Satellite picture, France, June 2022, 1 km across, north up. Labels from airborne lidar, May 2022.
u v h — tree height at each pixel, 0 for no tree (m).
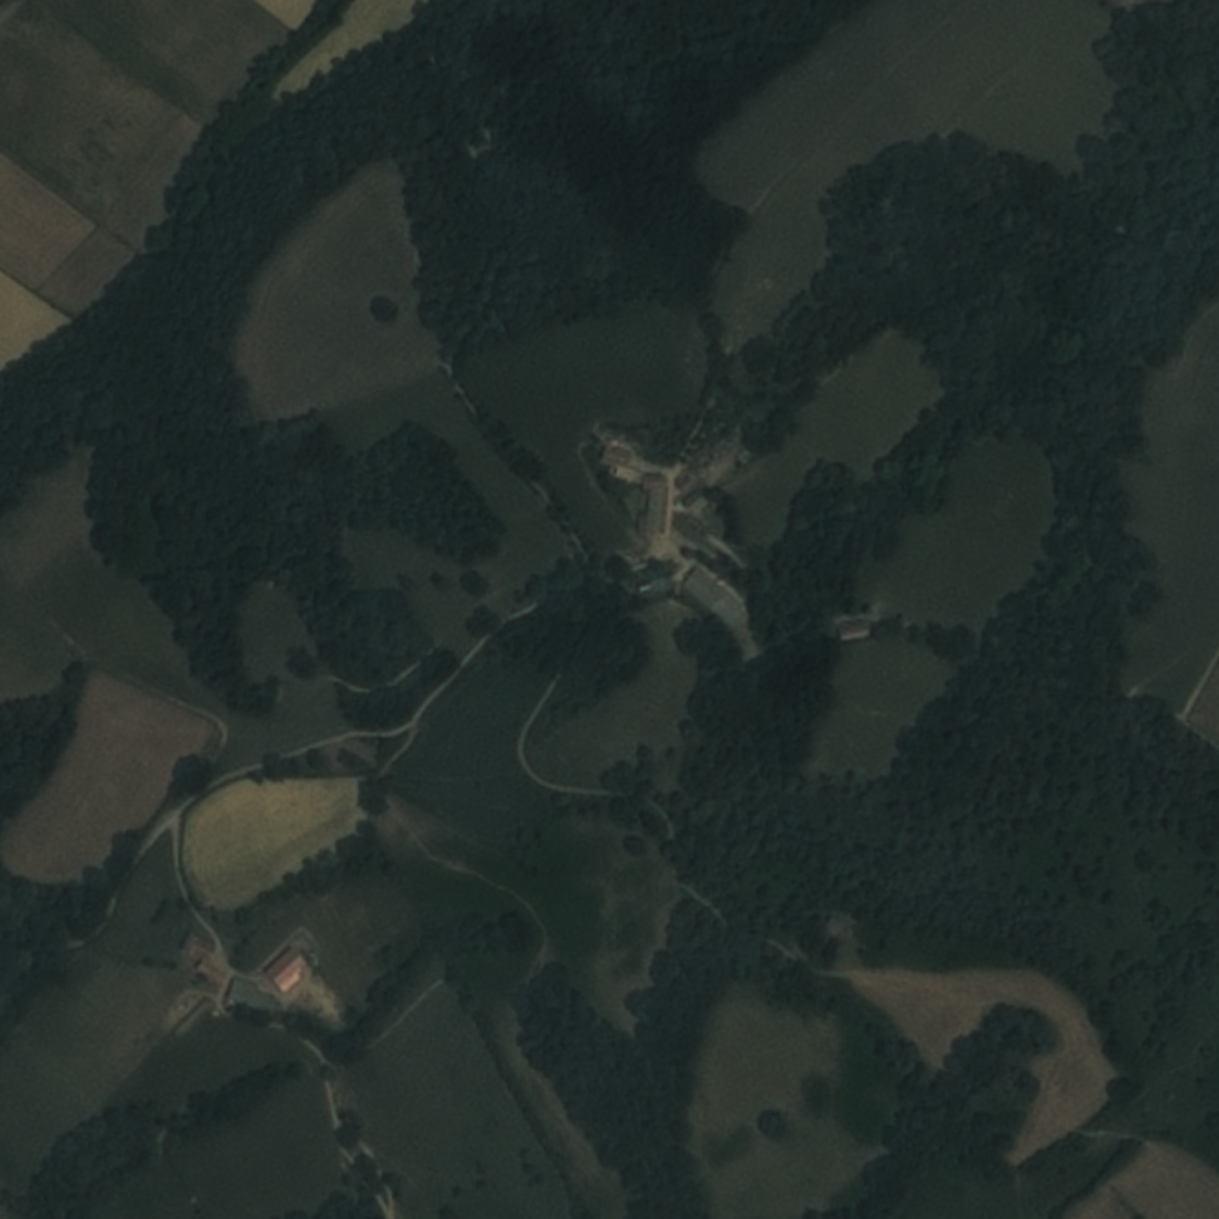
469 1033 0
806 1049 0
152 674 0
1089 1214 0
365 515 14
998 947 9
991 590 0
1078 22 0
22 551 0
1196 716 0
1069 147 0
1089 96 0
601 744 0
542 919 0
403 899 0
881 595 0
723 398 12
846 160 0
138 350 23
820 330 9
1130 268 15
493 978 0
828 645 26
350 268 0
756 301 0
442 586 12
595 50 19
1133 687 0
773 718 17
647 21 10
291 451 20
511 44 15
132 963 0
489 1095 0
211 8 0
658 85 18
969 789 14
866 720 0
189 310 16
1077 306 10
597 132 16
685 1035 23
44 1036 0
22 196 0
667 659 0
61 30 0
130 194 0
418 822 0
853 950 0
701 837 7
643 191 13
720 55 13
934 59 0
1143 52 21
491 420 8
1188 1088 0
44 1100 0
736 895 8
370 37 0
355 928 0
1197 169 21
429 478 13
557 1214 0
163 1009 0
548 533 0
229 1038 0
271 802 0
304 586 18
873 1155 0
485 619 18
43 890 16
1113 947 0
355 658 17
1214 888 9
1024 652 26
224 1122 18
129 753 0
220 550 14
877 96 0
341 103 20
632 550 0
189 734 0
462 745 0
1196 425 0
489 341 20
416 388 0
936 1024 0
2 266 0
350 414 0
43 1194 10
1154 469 0
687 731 14
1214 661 0
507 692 0
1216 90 22
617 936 0
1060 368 28
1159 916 10
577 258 23
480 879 0
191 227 22
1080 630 25
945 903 19
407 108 20
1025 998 0
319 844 0
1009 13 0
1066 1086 0
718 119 16
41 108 0
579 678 11
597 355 0
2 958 28
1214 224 20
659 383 0
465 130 23
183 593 20
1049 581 9
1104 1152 0
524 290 16
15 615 0
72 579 0
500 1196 0
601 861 0
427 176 15
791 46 20
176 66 0
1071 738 10
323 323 0
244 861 0
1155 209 22
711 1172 0
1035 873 0
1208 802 14
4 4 0
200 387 17
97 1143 10
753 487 0
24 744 17
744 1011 0
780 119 0
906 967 0
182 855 0
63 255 0
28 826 0
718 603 0
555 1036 18
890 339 0
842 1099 0
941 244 22
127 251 0
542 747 0
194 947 0
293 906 0
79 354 23
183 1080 0
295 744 0
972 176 19
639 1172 10
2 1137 0
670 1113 22
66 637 0
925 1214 0
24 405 19
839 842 7
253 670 0
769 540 0
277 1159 0
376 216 0
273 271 0
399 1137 0
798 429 15
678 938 8
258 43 0
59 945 24
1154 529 0
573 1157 0
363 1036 9
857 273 21
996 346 26
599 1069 13
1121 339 16
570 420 0
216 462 21
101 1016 0
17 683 0
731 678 21
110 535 23
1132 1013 0
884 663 0
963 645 21
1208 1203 0
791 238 0
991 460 0
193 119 0
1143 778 19
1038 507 0
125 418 17
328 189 18
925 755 21
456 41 13
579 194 16
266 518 14
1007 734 19
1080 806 16
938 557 0
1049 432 24
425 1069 0
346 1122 11
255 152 15
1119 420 15
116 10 0
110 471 18
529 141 21
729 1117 0
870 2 12
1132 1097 8
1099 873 9
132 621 0
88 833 0
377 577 0
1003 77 0
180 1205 0
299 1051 0
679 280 22
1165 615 0
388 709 14
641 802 10
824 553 31
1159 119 22
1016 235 16
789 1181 0
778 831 16
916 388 0
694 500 0
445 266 24
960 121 0
